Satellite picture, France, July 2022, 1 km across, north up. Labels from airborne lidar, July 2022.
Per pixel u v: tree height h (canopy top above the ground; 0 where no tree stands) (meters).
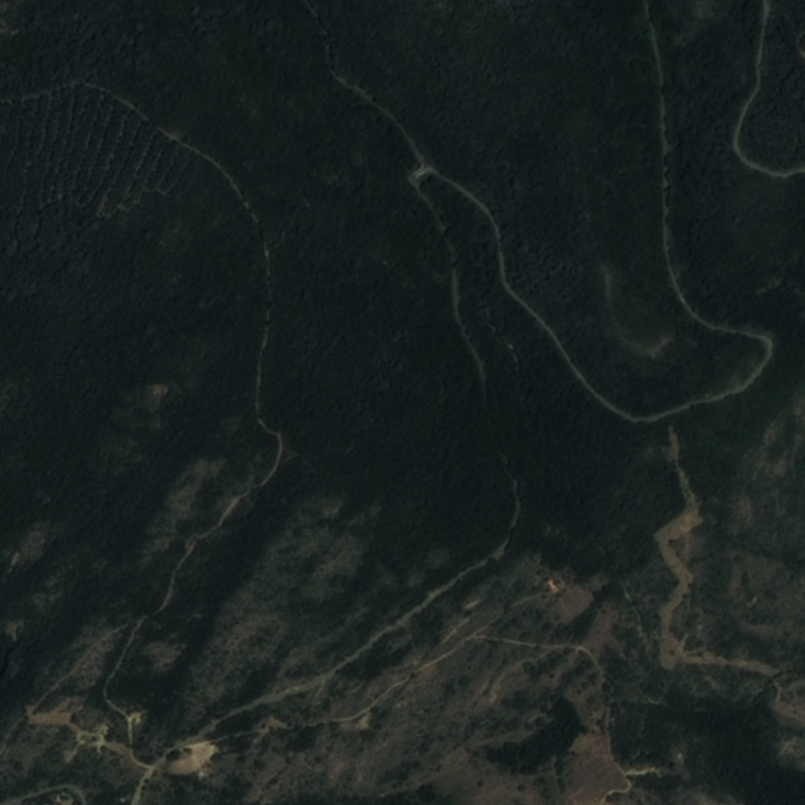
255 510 6
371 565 7
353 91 6
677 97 8
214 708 6
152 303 7
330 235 7
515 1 12
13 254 6
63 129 12
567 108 6
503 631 7
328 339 7
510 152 10
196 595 7
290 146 6
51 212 11
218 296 9
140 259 11
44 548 6
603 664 7
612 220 8
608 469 9
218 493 6
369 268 7
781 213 6
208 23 12
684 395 6
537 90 6
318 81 11
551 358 10
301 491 6
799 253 10
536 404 12
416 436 8
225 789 7
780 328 7
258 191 7
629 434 9
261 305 7
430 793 11
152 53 8
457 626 0
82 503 7
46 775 7
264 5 13
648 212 6
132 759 0
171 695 7
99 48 12
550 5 13
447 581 8
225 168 6
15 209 12
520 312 12
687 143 12
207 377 8
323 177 12
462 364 15
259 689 7
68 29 12
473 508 10
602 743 0
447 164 12
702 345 10
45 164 10
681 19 6
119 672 6
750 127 7
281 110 12
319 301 7
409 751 6
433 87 7
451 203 16
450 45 8
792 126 10
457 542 7
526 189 9
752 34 6
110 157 12
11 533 7
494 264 10
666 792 6
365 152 9
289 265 9
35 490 14
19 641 10
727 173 8
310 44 12
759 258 7
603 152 8
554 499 11
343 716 0
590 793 0
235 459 7
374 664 6
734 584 0
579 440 12
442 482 8
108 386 9
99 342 10
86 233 14
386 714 7
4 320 8
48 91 14
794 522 0
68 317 14
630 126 12
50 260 8
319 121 12
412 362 10
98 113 12
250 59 12
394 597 6
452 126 7
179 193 14
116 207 9
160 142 11
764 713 6
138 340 9
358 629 8
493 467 11
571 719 11
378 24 9
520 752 11
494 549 9
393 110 12
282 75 14
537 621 7
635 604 6
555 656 6
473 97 7
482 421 19
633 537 7
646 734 6
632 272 6
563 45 14
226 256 9
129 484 7
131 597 6
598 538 8
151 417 8
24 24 9
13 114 10
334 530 7
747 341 9
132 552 7
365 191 18
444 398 8
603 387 7
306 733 8
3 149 11
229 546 8
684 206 16
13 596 7
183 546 6
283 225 7
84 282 9
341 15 7
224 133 6
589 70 8
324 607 6
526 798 0
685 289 12
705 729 6
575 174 6
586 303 9
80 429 11
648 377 7
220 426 6
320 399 10
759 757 9
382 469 6
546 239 7
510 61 10
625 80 12
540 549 7
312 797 6
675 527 0
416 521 11
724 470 8
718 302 11
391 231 12
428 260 15
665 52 9
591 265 7
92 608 6
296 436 6
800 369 8
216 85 8
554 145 6
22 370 9
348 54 11
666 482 9
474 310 17
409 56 9
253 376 7
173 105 8
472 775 0
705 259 9
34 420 9
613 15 14
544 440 16
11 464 7
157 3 6
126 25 12
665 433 7
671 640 0
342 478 5
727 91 8
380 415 7
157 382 7
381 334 8
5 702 6
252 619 0
